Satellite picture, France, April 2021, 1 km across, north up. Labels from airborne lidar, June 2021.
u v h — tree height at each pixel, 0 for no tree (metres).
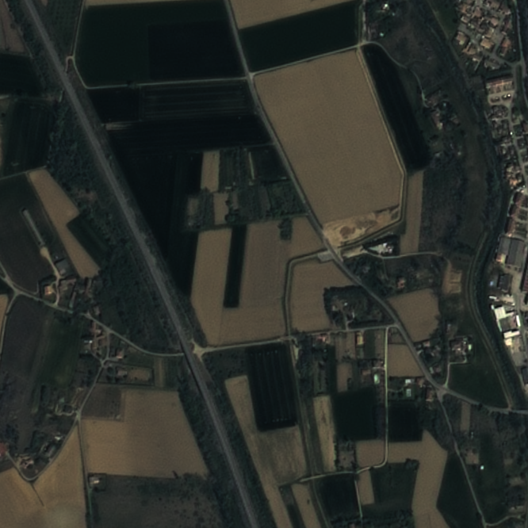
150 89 0
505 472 0
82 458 0
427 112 10
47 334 0
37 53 6
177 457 0
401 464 0
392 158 0
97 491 9
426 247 6
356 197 0
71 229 0
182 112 0
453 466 0
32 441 8
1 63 0
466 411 0
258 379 0
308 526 0
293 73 0
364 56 0
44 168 0
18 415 0
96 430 0
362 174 0
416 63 0
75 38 0
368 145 0
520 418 8
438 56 6
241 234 0
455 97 0
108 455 0
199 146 0
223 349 0
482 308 8
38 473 0
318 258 0
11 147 0
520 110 10
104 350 0
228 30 0
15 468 0
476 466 14
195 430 12
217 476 18
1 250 0
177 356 0
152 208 0
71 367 0
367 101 0
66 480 0
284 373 0
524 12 8
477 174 0
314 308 0
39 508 0
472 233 0
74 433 0
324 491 0
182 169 0
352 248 0
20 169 0
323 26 0
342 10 0
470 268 0
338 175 0
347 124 0
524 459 8
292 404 0
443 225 8
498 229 0
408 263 0
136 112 0
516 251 0
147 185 0
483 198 0
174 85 0
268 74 0
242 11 0
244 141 0
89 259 0
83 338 8
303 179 0
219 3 0
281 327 0
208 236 0
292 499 0
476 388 0
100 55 0
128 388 0
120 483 0
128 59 0
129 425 0
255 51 0
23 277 0
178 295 7
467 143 0
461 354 9
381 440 12
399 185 0
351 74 0
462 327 0
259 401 0
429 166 25
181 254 0
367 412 0
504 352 10
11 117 0
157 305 7
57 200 0
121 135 0
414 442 0
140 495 0
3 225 0
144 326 7
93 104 0
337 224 0
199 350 0
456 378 0
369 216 0
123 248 8
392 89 0
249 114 0
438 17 0
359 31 0
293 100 0
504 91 0
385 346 0
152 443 0
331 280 0
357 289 12
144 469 0
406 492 0
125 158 0
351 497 0
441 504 0
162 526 0
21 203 0
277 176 0
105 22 0
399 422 0
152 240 9
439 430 9
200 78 0
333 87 0
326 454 0
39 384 0
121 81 0
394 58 0
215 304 0
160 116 0
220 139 0
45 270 0
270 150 0
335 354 0
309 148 0
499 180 18
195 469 0
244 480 6
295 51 0
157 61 0
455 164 13
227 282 0
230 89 0
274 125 0
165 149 0
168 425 0
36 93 0
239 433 6
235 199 0
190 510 0
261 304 0
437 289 26
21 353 0
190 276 0
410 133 0
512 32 0
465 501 0
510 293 0
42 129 0
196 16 0
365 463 0
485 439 0
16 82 0
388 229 0
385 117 0
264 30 0
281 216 6
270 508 10
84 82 0
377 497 0
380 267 7
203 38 0
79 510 0
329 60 0
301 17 0
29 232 0
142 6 0
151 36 0
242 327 0
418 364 0
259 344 0
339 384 0
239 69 0
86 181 10
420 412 6
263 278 0
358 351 0
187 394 17
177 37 0
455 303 0
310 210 0
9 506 0
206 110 0
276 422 0
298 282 0
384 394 0
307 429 0
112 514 0
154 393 0
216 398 6
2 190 0
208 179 0
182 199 0
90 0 0
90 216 12
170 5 0
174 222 0
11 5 11
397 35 0
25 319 0
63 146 14
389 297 29
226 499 17
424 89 6
